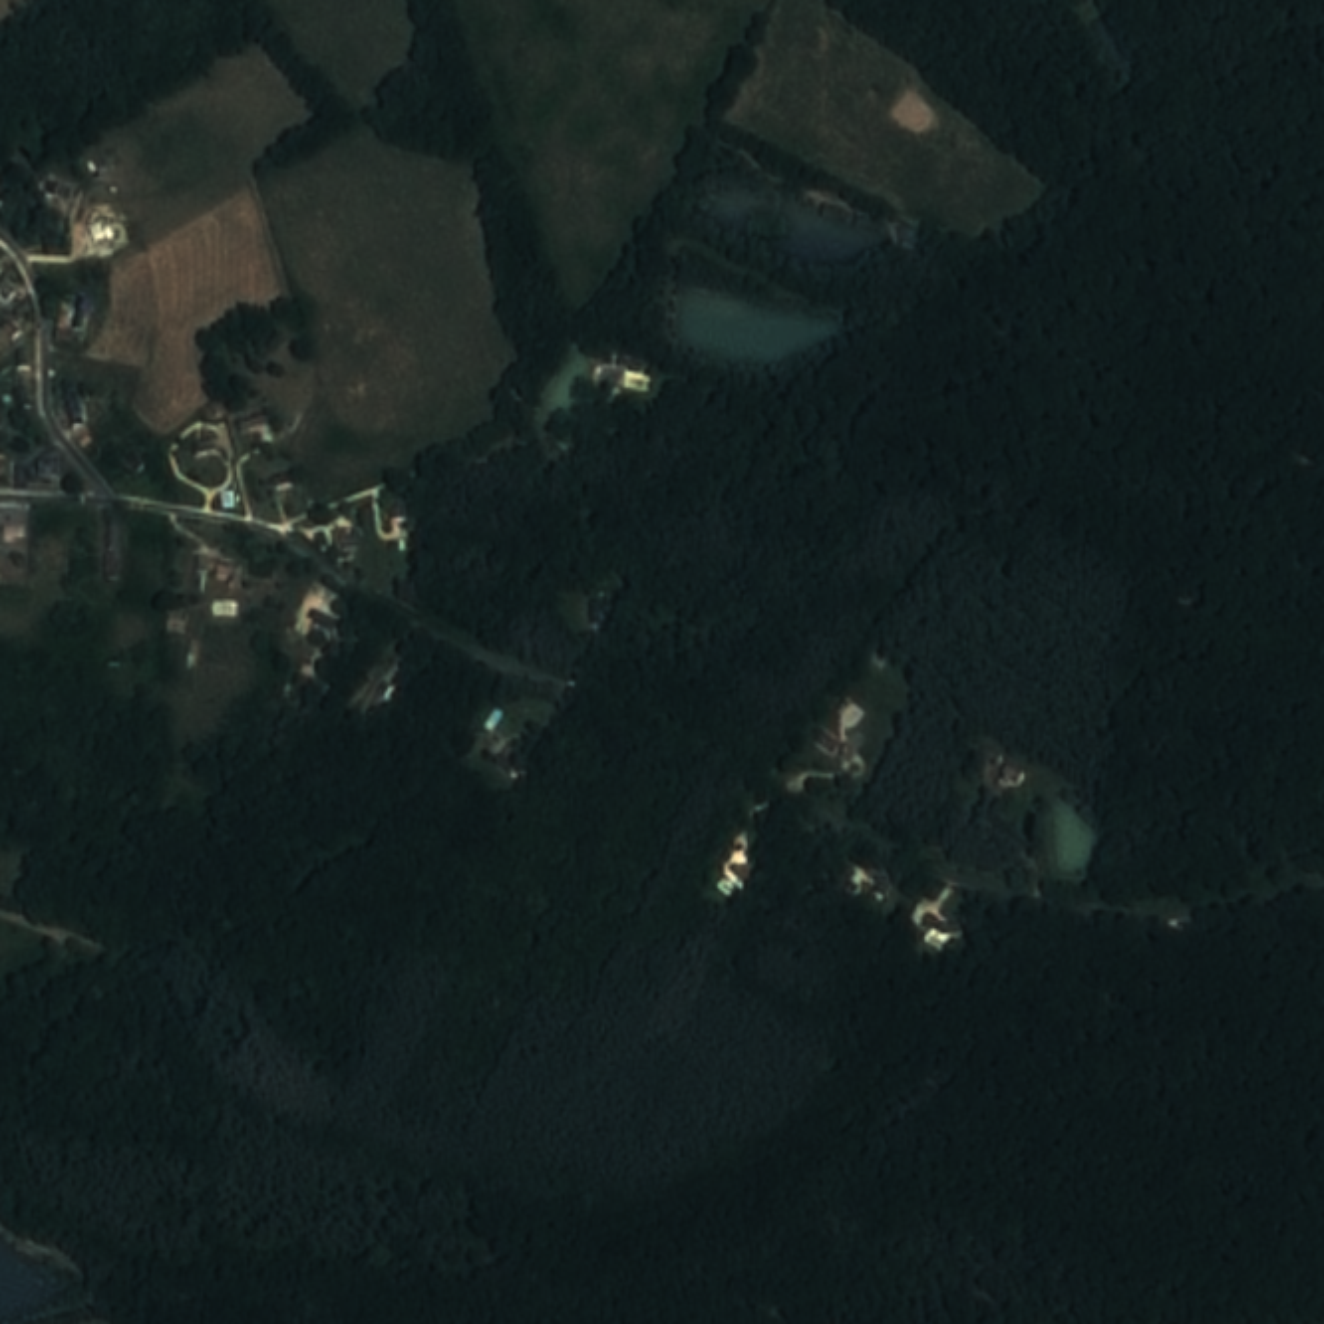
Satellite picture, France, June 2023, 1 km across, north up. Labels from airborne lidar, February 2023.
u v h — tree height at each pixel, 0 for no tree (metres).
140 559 0
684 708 24
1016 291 31
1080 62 18
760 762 20
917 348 30
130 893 21
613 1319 17
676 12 0
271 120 0
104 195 0
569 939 15
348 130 13
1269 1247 32
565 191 0
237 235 0
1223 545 30
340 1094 19
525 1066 25
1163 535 28
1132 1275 33
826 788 12
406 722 19
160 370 0
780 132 0
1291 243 27
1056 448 33
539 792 11
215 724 0
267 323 21
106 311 0
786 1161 20
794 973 24
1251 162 29
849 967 23
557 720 8
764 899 16
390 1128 26
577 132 0
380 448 0
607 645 23
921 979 28
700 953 25
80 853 9
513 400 18
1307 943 22
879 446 35
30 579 0
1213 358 31
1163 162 27
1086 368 34
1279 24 22
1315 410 23
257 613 5
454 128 20
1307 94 22
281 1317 22
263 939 16
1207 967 29
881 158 0
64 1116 24
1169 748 26
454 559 22
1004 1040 29
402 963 17
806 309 6
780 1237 22
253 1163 24
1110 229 33
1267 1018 29
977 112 20
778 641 29
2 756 8
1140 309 29
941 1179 31
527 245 13
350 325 0
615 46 0
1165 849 24
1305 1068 29
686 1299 16
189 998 27
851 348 17
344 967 9
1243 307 31
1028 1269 22
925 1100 24
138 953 18
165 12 17
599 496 23
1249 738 28
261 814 19
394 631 15
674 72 0
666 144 0
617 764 20
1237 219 30
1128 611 23
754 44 15
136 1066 27
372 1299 23
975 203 0
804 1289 20
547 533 28
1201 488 30
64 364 0
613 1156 27
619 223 0
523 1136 26
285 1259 7
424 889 17
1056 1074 31
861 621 26
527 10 0
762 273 8
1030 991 25
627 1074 30
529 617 25
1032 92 24
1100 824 11
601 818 21
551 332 13
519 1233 26
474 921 17
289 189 0
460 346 0
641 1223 23
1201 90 16
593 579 18
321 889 17
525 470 20
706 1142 29
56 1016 22
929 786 18
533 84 0
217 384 14
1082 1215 32
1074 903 12
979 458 34
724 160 17
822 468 31
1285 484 24
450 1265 20
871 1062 23
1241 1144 30
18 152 10
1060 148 26
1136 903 29
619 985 25
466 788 26
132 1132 24
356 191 0
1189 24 22
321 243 0
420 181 0
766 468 28
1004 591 27
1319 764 33
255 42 17
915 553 30
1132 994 30
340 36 0
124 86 17
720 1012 26
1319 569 29
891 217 15
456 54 21
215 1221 25
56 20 18
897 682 0
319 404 0
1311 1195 36
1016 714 23
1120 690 22
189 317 0
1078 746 24
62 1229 16
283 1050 21
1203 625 29
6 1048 16
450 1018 17
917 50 18
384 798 23
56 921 16
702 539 24
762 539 22
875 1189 19
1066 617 26
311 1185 27
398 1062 27
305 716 12
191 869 22
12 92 19
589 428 20
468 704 16
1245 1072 25
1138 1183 27
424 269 0
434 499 20
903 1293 14
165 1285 20
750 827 9
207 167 0
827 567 26
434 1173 21
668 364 18
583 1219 24
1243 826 29
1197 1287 33
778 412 20
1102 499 33
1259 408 29
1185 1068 26
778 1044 29
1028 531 23
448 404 0
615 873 12
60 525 0
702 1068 27
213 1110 20
